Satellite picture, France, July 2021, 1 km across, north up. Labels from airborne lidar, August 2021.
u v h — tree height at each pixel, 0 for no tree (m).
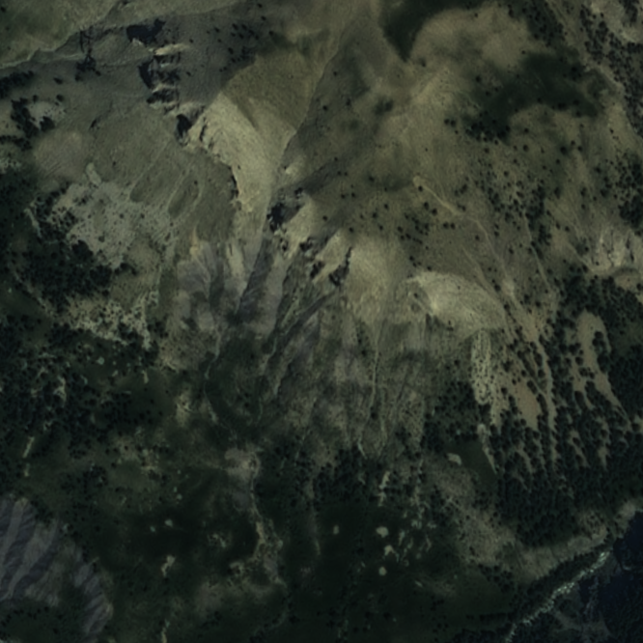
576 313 14
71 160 0
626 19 0
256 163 0
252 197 0
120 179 0
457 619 0
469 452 0
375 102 0
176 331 0
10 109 0
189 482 0
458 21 0
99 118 0
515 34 0
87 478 15
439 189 0
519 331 10
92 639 0
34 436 0
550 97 0
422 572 0
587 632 0
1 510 0
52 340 10
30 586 0
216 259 0
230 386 0
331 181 0
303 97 0
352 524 0
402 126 0
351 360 0
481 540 0
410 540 0
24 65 0
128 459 0
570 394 17
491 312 0
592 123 0
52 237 11
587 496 26
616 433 26
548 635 12
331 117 0
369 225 0
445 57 0
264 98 0
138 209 0
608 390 0
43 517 7
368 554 13
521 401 0
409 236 10
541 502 22
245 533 0
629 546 8
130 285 0
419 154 0
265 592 0
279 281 0
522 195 8
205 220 0
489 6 0
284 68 0
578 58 0
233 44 0
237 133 0
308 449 0
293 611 7
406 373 0
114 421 14
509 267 0
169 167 0
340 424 0
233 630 0
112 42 0
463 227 0
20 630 0
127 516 0
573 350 22
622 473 20
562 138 0
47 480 0
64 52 0
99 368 0
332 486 14
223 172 0
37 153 0
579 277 13
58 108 0
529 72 0
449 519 11
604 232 0
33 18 0
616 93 0
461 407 11
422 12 0
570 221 0
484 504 6
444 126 0
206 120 0
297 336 0
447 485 0
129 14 0
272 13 0
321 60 0
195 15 0
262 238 0
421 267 0
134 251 0
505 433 19
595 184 0
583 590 0
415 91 0
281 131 0
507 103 0
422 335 0
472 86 0
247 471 0
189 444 0
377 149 0
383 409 0
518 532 8
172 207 0
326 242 0
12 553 0
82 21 0
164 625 10
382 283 0
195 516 0
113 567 0
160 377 0
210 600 0
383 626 0
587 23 7
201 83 0
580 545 0
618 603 20
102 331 0
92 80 0
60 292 7
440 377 0
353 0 0
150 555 0
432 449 15
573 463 17
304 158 0
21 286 12
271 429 0
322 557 0
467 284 0
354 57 0
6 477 14
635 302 13
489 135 8
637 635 25
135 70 0
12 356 12
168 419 0
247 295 0
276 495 13
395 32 0
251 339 0
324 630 0
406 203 0
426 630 0
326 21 0
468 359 0
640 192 13
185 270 0
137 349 11
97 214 0
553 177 0
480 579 0
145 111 0
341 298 0
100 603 0
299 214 0
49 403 19
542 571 0
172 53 0
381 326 0
